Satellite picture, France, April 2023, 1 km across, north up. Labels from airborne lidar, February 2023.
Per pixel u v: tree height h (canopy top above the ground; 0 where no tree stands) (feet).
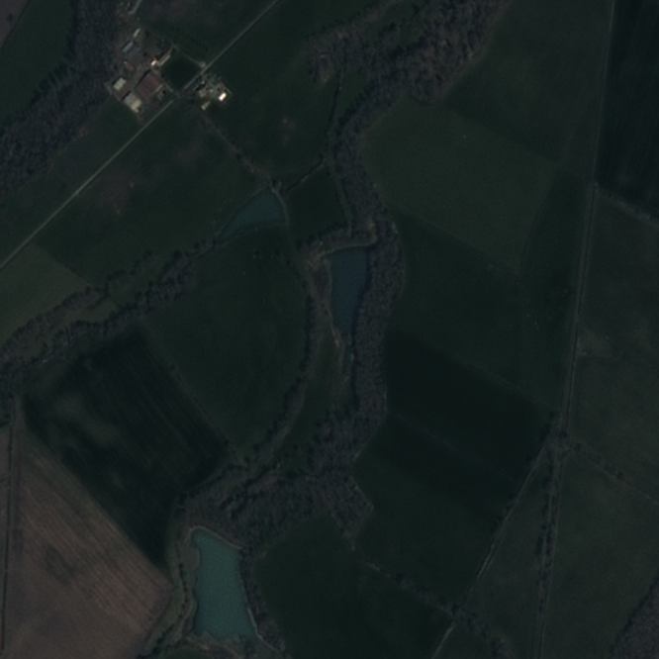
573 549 0
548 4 0
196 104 28
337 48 66
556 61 0
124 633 0
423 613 0
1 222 0
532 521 0
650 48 0
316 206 0
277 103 0
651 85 0
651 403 0
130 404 0
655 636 59
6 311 0
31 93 0
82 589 0
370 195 51
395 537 0
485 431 0
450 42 77
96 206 0
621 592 0
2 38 0
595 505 0
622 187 0
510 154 0
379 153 0
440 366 0
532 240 0
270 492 61
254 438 0
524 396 0
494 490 0
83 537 0
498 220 0
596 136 0
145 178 0
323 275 0
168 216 0
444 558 0
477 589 0
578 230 0
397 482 0
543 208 0
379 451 0
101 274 0
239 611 0
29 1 0
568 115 0
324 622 0
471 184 0
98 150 0
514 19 0
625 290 0
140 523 0
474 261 0
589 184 0
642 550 0
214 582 0
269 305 0
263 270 0
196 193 0
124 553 0
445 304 0
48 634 0
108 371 0
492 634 42
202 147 0
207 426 0
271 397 0
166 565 0
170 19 0
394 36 78
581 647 0
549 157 0
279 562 0
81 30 73
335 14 0
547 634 0
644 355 0
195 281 58
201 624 0
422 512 0
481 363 0
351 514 61
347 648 0
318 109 0
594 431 0
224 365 0
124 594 0
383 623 0
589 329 0
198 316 0
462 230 0
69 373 0
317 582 0
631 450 0
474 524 0
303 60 0
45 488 0
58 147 27
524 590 0
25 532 0
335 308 0
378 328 52
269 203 0
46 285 0
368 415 56
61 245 0
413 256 0
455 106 0
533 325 0
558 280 0
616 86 0
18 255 0
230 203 0
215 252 0
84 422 0
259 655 0
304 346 0
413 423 0
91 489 0
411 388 0
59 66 0
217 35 0
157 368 0
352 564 0
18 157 40
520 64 0
